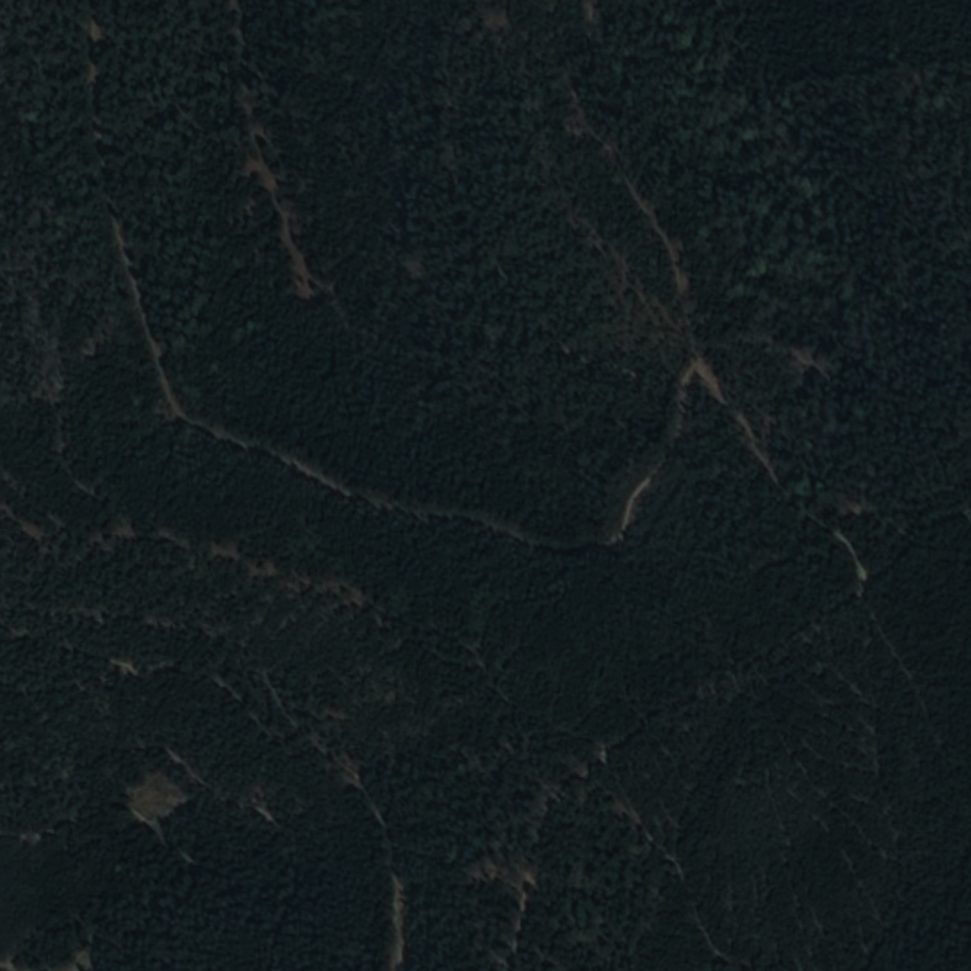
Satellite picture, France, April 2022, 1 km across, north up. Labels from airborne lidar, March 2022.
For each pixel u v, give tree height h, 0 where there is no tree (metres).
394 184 7
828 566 16
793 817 20
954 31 13
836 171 33
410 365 9
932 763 15
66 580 13
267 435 20
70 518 17
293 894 25
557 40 10
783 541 12
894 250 18
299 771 22
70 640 15
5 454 11
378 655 7
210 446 13
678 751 14
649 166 9
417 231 32
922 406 34
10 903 17
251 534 15
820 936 17
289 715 9
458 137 12
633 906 10
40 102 35
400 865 17
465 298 10
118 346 12
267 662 7
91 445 17
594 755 19
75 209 33
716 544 12
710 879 10
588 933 26
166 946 28
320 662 7
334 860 23
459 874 14
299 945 21
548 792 19
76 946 28
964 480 16
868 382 24
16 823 13
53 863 18
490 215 23
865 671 15
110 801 27
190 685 21
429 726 9
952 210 15
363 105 8
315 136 9
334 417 18
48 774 16
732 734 19
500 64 9
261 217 10
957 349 26
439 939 18
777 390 9
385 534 16
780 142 27
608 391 27
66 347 18
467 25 24
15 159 9
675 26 9
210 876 27
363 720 9
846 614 21
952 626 20
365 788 13
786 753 17
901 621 16
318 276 15
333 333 15
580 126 6
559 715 16
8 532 9
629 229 10
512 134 25
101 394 19
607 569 21
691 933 21
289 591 7
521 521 19
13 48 6
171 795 0
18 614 11
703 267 12
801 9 19
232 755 17
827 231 13
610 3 8
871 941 15
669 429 18
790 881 18
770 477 12
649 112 28
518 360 27
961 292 21
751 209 39
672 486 6
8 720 19
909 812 14
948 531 21
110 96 37
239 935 22
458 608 18
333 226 13
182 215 8
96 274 34
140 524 16
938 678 20
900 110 13
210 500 19
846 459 29
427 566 14
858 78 9
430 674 13
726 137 22
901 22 12
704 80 27
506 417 29
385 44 10
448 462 20
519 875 20
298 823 20
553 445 14
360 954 21
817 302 15
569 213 8
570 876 7
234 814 22
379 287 11
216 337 15
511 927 26
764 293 22
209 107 18
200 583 9
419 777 23
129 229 8
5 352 18
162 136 39
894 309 13
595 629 18
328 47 10
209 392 17
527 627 15
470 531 16
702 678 12
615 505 6
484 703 15
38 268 19
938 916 15
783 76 25
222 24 13
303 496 19
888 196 25
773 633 19
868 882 17
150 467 18
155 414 20
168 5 32
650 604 12
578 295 23
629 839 8
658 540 11
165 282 34
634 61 10
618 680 16
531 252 23
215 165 11
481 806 20
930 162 24
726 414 12
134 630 24
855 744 20
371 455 18
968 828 21
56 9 34
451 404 34
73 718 21
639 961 13
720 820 18
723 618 16
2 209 14
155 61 7
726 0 28
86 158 12
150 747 23
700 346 28
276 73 33
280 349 17
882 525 12
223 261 11
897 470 28
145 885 26
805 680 20
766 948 18
